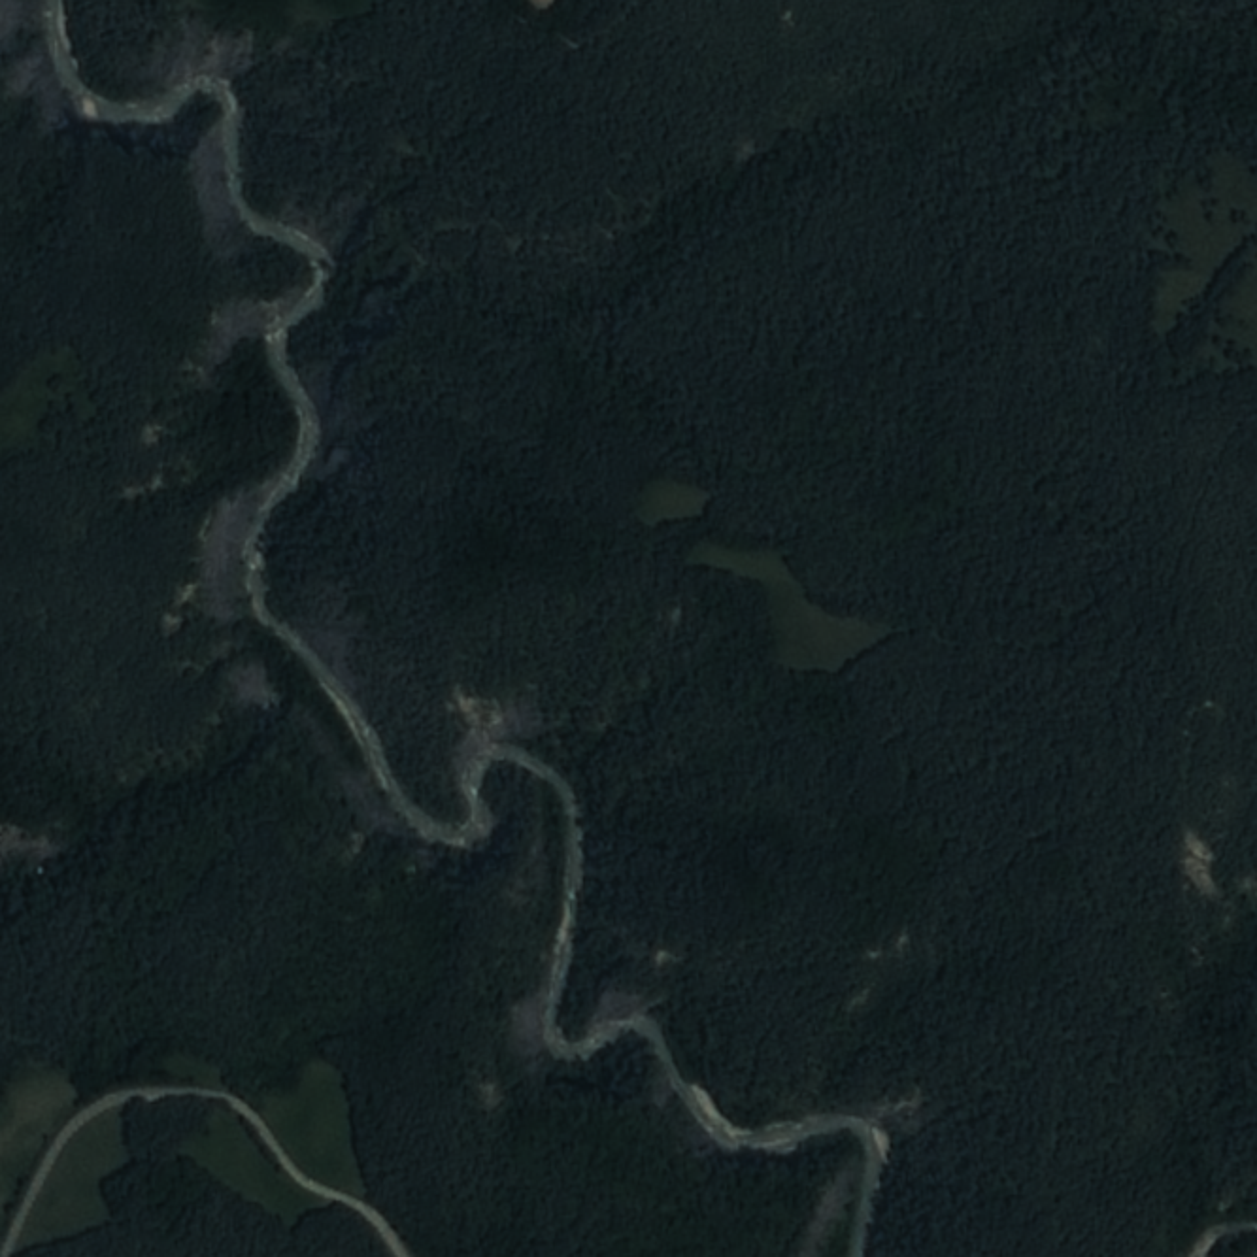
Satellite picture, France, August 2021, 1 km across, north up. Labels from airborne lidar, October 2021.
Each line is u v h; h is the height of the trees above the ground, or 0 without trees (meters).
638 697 13
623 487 13
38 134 11
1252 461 10
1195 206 0
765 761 8
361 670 6
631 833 12
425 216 10
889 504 9
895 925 6
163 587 6
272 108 7
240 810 5
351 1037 12
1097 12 14
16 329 13
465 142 11
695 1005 13
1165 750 8
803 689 15
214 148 0
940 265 9
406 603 8
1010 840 14
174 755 11
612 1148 7
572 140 15
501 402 10
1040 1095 11
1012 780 9
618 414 11
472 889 9
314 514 9
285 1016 9
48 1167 0
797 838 9
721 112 9
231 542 0
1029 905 13
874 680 10
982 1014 7
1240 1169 7
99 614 7
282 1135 0
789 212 8
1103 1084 8
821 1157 7
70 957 6
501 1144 15
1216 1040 17
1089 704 7
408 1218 13
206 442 12
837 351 9
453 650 7
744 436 14
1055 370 7
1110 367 9
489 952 13
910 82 11
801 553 9
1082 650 12
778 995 11
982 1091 7
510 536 12
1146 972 11
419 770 7
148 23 11
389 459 9
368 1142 16
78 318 14
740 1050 10
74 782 15
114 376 8
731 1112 8
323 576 8
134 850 9
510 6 14
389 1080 14
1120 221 9
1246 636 8
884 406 6
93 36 9
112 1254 8
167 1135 14
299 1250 12
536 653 8
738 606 11
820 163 11
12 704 12
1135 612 11
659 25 11
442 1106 13
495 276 14
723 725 6
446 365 13
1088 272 6
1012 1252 14
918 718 8
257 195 7
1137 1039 13
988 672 12
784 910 7
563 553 12
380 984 9
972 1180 10
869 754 13
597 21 13
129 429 9
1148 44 14
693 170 8
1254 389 11
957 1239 10
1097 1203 10
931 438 8
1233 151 11
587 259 8
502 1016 8
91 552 11
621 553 8
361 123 12
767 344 5
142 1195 15
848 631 0
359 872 10
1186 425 7
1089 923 10
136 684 9
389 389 13
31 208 8
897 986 7
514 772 11
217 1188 13
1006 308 10
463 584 14
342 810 8
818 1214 13
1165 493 10
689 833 17
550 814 9
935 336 11
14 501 10
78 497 8
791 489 8
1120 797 11
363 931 6
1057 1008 14
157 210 10
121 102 0
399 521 11
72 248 9
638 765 10
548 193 10
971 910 13
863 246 7
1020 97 11
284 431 8
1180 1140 10
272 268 8
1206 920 6
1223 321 12
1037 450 7
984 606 9
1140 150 12
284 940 9
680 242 9
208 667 5
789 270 8
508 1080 6
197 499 15
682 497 0
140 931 9
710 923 13
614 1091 8
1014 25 6
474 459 13
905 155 11
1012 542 13
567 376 11
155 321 9
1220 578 8
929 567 8
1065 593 11
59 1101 0
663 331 10
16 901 15
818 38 7
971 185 11
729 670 8
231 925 7
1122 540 6
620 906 10
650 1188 7
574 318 13
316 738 14
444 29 10
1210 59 15
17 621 10
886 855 7
